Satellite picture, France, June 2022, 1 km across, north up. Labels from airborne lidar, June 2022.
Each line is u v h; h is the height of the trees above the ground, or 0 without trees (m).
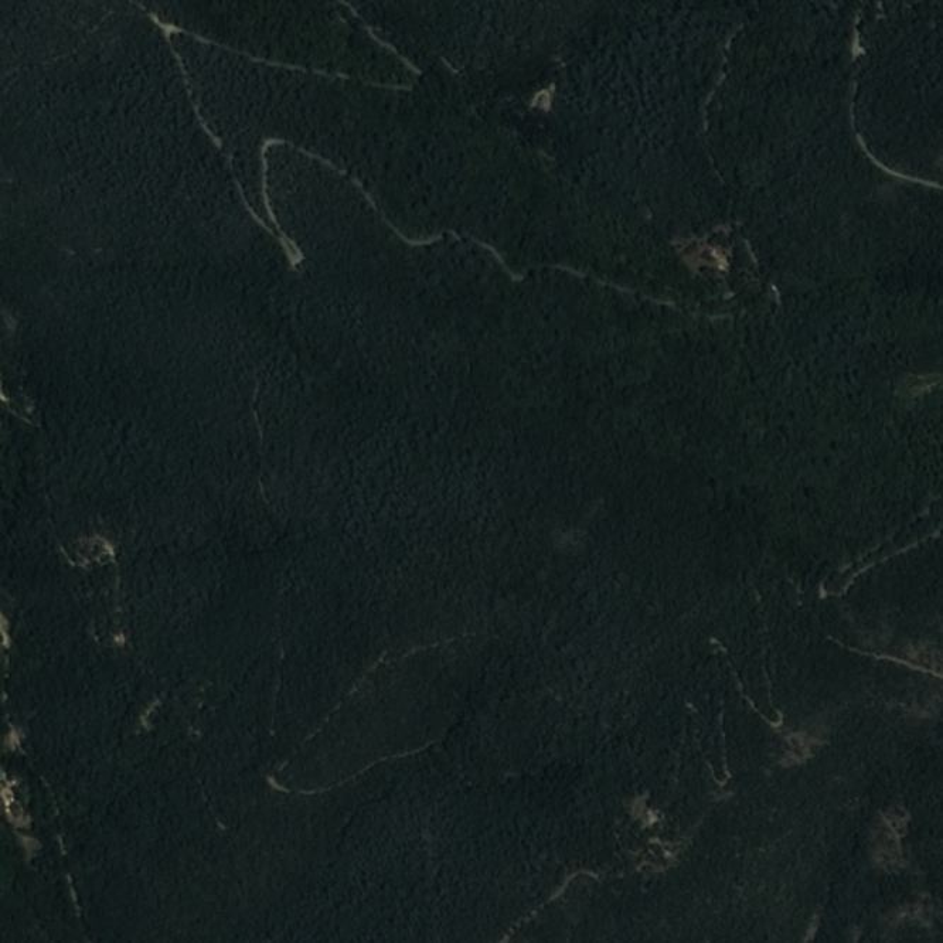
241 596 8
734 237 10
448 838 10
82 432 8
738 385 11
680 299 9
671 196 11
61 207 8
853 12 14
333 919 12
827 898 7
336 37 10
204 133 9
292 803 10
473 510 13
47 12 7
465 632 12
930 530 9
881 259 12
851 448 14
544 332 8
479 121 15
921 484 14
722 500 8
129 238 7
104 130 16
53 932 11
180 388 11
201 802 8
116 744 8
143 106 13
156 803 11
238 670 8
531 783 13
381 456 12
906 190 7
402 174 10
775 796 7
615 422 13
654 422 7
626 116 9
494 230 8
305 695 7
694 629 6
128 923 10
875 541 12
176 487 8
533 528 7
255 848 10
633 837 10
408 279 9
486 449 6
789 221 11
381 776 8
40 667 5
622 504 7
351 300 11
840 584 8
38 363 11
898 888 11
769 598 11
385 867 9
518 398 7
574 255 11
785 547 8
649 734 10
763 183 11
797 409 8
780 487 10
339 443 9
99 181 7
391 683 7
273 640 13
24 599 6
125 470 12
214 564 7
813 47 9
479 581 9
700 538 7
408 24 15
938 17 7
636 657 12
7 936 13
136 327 10
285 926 11
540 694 11
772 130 12
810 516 13
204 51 12
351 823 10
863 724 11
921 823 6
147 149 14
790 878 7
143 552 16
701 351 14
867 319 13
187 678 14
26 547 14
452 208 7
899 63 10
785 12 10
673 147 10
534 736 6
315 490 9
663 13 10
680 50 6
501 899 7
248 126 10
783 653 6
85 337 8
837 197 7
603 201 8
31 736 8
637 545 9
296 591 11
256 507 12
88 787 8
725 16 8
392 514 9
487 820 10
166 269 12
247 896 7
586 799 13
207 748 7
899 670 6
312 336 9
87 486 8
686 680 9
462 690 14
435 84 14
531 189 12
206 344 8
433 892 8
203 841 10
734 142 12
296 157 10
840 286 11
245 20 20
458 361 8
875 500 7
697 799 7
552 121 13
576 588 12
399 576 13
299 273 7
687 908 10
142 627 10
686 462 9
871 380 10
